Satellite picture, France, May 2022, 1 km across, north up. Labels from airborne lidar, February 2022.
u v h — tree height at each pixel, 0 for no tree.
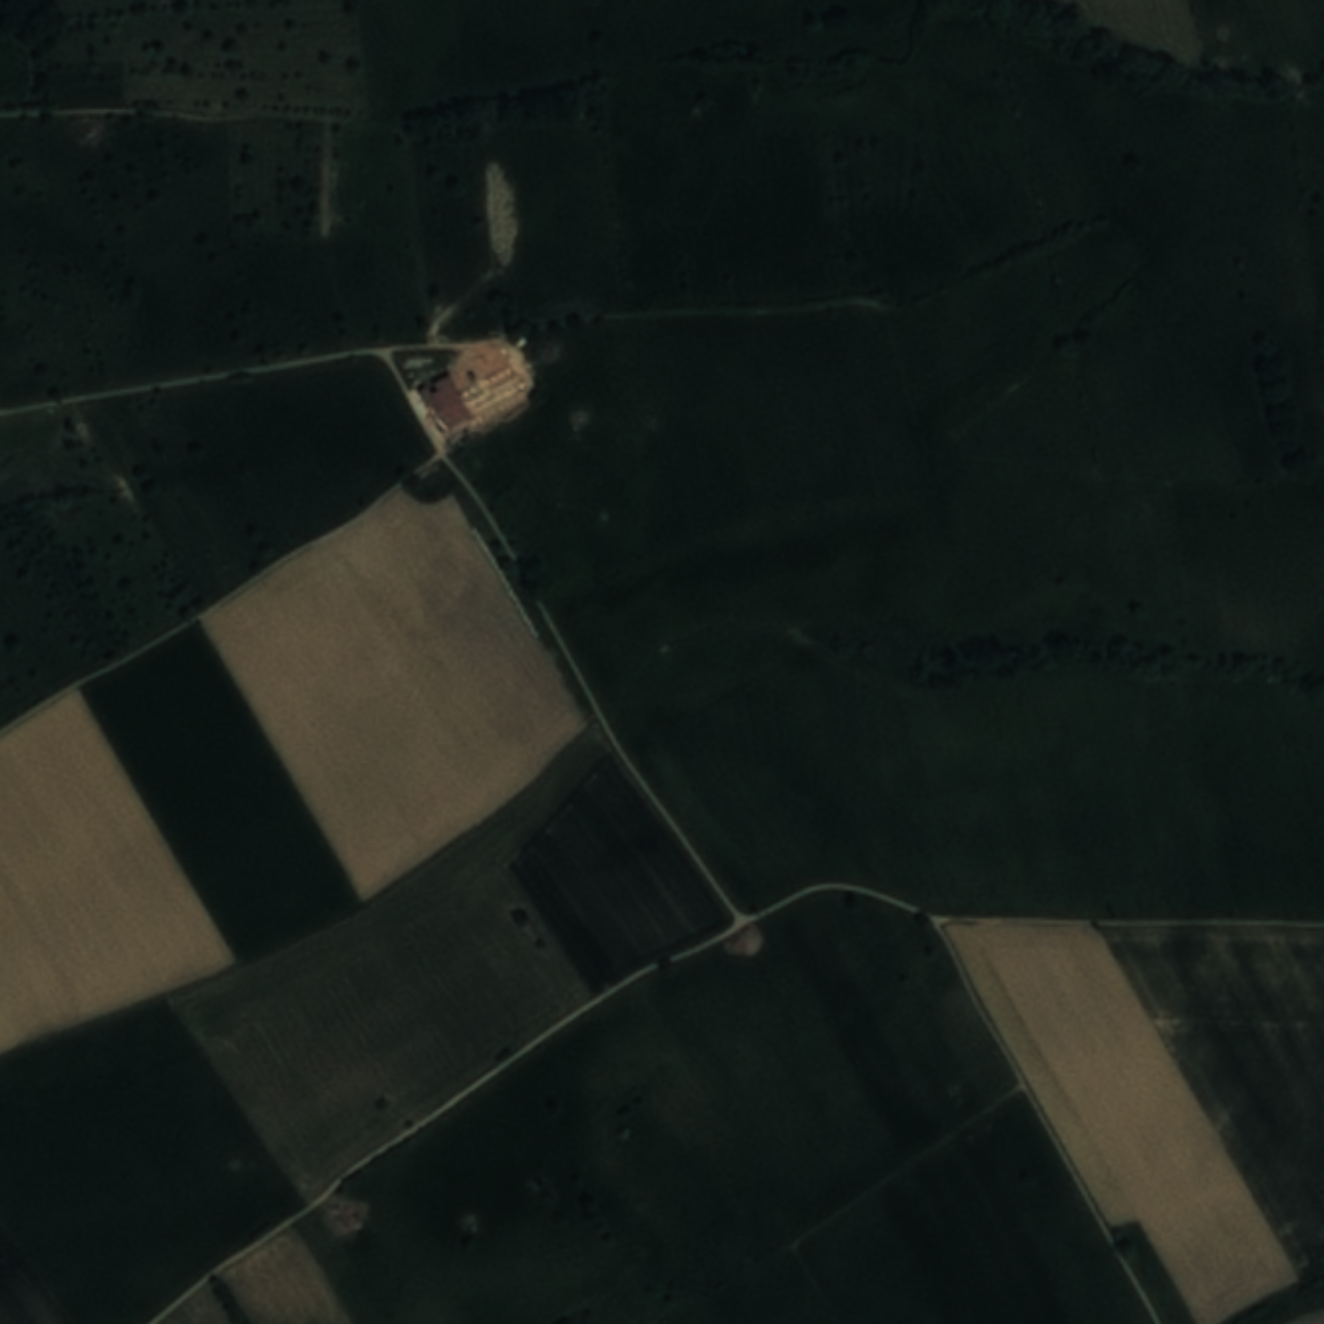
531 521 0
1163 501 0
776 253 0
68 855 0
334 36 0
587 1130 0
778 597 0
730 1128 0
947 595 0
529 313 0
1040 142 0
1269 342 9
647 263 0
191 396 0
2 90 0
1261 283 0
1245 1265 0
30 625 0
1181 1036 0
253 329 0
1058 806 0
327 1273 0
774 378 0
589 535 0
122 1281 0
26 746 0
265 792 0
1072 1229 0
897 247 0
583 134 0
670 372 0
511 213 0
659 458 0
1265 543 0
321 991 0
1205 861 0
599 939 0
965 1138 0
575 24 0
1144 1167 0
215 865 0
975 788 0
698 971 0
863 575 0
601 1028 0
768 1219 0
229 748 0
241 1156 0
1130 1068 0
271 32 0
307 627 0
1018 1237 0
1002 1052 0
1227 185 0
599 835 0
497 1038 0
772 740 0
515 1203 0
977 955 0
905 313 0
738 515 0
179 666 0
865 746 0
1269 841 0
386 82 0
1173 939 0
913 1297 0
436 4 0
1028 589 0
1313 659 0
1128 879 0
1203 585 0
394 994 0
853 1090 0
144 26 0
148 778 0
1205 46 0
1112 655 14
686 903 0
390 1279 0
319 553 0
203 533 0
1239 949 0
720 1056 0
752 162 0
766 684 0
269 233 0
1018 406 0
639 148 0
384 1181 0
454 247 0
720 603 0
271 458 0
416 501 0
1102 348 0
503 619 0
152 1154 0
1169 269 0
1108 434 0
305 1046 0
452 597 0
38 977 0
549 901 0
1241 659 14
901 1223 0
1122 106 0
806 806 0
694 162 0
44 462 0
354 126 0
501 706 0
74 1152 0
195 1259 0
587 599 0
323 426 0
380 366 0
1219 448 0
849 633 0
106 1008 0
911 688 0
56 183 0
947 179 0
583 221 0
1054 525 0
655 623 0
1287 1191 0
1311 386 0
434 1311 0
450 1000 0
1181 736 0
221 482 0
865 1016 0
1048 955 0
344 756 0
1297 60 0
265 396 0
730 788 0
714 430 0
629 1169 0
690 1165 0
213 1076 0
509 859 0
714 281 0
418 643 0
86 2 0
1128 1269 0
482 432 0
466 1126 0
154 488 10
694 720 0
